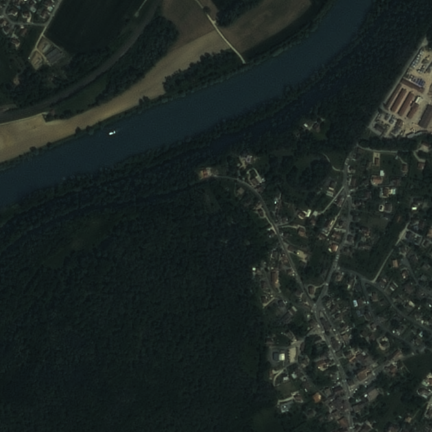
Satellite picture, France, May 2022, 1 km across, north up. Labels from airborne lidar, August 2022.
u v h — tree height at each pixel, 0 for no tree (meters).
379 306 0
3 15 0
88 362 12
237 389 20
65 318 20
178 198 19
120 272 16
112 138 0
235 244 25
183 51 0
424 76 0
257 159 0
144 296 16
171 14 0
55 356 17
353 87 20
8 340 21
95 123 0
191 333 17
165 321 18
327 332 8
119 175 14
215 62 8
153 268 17
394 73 22
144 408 15
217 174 0
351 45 16
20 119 0
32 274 22
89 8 0
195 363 16
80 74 11
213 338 16
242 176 12
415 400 17
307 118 11
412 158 8
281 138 19
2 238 11
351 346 16
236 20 15
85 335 13
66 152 0
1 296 22
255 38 0
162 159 17
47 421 20
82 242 0
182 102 0
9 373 23
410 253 0
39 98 13
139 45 7
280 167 19
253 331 23
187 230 21
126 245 23
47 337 17
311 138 18
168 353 15
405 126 0
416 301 9
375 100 20
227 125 20
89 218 15
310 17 0
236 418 14
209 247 30
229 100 0
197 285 13
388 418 0
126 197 28
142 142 0
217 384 15
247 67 12
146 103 15
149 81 0
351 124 28
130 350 16
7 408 23
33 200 29
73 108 0
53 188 8
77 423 18
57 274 17
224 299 21
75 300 18
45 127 0
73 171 0
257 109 17
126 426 17
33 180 0
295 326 16
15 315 16
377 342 10
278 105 16
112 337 19
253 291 6
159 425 15
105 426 16
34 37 0
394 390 17
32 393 16
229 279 27
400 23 24
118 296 19
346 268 8
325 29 0
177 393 17
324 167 26
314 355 18
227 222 18
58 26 0
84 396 21
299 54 0
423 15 21
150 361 16
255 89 0
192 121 0
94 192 14
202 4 0
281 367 0
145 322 13
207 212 14
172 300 15
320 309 0
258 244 16
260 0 7
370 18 19
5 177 0
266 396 19
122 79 16
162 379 17
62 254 0
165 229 19
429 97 0
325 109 21
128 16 0
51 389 19
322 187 18
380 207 0
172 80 14
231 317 22
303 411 15
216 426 14
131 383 19
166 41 18
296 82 0
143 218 22
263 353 13
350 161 0
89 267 25
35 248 18
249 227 21
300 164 0
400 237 0
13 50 9
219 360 13
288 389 0
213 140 17
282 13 0
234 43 0
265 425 0
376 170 0
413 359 0
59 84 11
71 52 0
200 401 13
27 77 18
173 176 32
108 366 11
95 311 11
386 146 22
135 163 8
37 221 22
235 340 20
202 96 0
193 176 11
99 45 0
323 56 0
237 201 7
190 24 0
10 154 0
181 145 11
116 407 17
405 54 24
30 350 19
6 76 0
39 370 10
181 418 14
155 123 0
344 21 0
